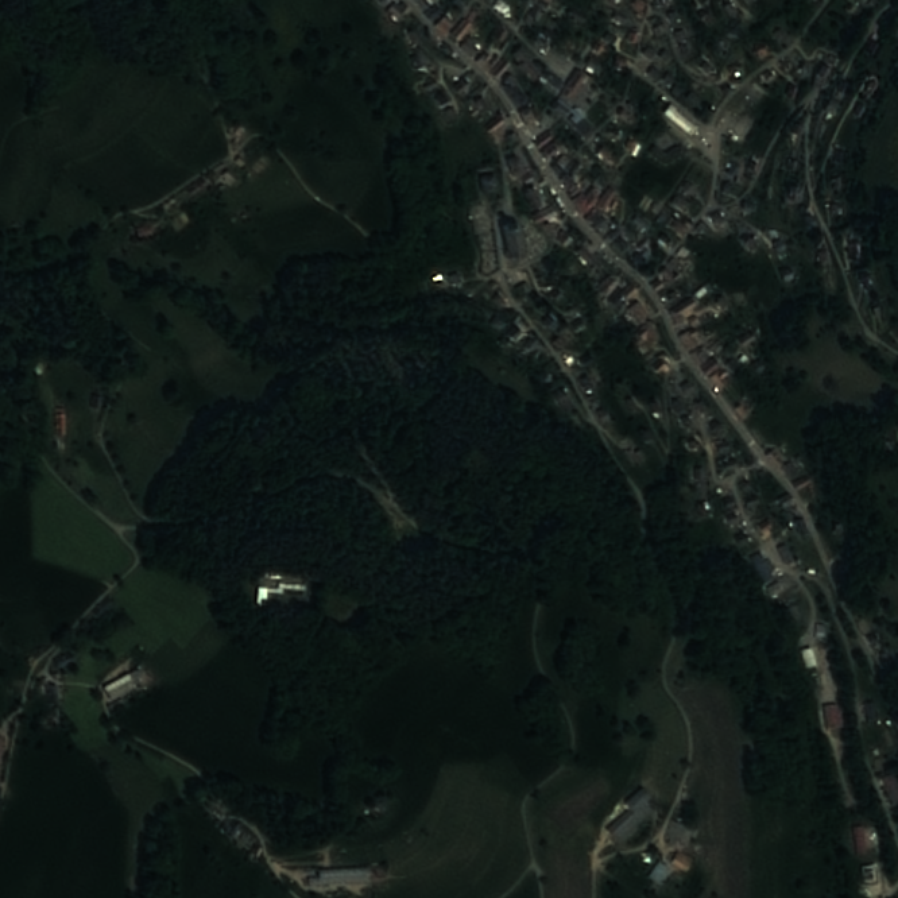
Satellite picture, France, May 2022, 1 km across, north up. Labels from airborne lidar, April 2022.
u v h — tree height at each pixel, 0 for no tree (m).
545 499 25
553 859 0
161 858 28
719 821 0
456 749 0
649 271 10
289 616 22
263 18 22
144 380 0
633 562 23
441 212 11
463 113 0
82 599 0
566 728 0
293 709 8
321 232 0
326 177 0
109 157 0
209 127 0
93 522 0
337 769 19
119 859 0
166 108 0
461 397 39
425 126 18
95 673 0
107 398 12
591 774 0
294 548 24
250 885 0
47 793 0
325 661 26
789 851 0
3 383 38
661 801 0
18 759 0
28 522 0
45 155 0
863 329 0
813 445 8
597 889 0
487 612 27
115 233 8
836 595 0
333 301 17
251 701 0
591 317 7
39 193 0
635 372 0
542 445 30
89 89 0
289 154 0
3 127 0
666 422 0
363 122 0
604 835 0
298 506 19
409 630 24
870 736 0
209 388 0
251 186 0
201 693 0
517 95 0
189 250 0
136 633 0
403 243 21
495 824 0
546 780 0
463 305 13
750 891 0
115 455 10
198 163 0
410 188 25
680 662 0
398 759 0
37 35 27
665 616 13
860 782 21
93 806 0
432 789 0
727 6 11
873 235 11
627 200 0
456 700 0
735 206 0
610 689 0
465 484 6
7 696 0
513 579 25
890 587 0
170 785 0
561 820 0
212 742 0
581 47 0
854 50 7
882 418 14
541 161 0
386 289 15
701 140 0
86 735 0
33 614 0
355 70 0
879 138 0
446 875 0
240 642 26
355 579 18
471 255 6
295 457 21
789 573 0
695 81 0
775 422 0
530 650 0
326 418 20
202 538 13
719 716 0
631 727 13
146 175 0
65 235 0
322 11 0
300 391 25
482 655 22
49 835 0
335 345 20
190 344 0
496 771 0
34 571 0
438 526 28
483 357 0
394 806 0
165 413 0
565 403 0
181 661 0
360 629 30
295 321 11
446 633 26
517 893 0
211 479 22
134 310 0
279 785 0
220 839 0
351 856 0
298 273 24
